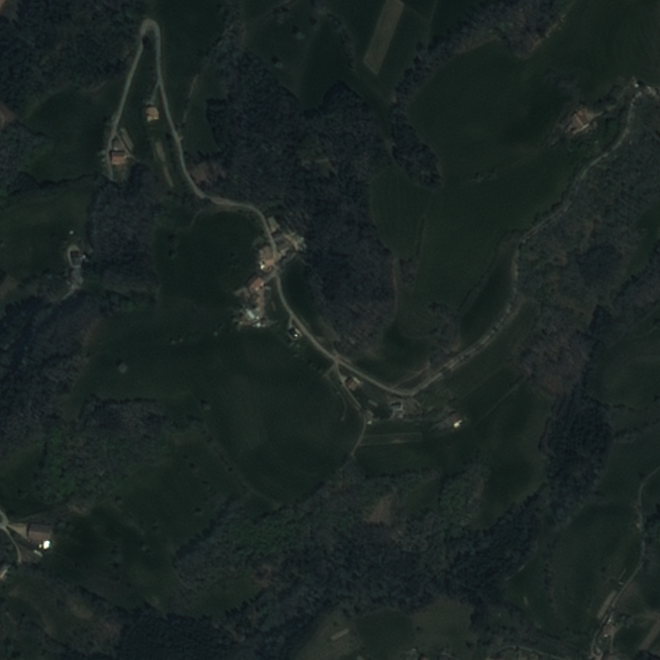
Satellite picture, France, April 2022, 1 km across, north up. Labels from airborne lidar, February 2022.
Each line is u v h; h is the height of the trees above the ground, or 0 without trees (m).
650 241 0
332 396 0
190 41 0
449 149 0
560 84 17
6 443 21
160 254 0
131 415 24
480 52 0
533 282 23
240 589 0
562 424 15
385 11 0
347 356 24
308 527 24
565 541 0
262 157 29
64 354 27
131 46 22
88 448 9
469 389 0
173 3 0
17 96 35
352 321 26
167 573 0
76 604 0
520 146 0
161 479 0
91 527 0
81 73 9
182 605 0
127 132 0
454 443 0
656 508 0
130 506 0
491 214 0
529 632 8
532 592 0
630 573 0
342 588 24
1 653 0
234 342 0
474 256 0
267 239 7
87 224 0
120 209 26
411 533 16
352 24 0
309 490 0
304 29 0
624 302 19
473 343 0
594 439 24
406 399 6
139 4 13
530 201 0
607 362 0
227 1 10
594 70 0
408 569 29
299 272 0
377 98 0
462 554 16
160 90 0
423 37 0
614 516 0
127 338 0
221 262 0
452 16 0
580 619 0
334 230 27
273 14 0
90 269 17
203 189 12
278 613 30
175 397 0
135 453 23
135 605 0
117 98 0
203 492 0
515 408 0
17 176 20
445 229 0
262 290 0
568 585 0
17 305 0
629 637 0
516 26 30
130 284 31
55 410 6
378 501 22
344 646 0
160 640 30
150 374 0
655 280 28
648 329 0
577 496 27
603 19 0
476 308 0
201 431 13
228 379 0
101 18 26
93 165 0
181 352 0
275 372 0
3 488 0
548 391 14
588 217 19
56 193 9
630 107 11
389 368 0
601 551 0
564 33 0
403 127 19
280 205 26
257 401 0
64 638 0
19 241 0
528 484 0
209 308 0
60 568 0
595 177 18
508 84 0
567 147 10
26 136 22
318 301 21
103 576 0
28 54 24
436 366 19
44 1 33
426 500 0
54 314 18
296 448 0
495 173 12
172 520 0
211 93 0
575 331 19
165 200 19
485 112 0
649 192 9
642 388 0
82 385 0
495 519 0
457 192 0
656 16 0
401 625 0
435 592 29
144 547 11
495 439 0
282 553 28
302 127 22
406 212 0
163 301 0
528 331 0
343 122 26
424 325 0
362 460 0
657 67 0
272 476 0
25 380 25
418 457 0
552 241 24
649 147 24
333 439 0
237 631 11
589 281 26
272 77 26
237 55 23
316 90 0
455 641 0
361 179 28
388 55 0
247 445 0
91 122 0
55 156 0
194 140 0
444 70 0
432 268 0
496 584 16
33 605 0
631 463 0
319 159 7
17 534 8
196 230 0
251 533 22
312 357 0
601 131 6
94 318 28
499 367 0
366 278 26
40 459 0
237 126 15
